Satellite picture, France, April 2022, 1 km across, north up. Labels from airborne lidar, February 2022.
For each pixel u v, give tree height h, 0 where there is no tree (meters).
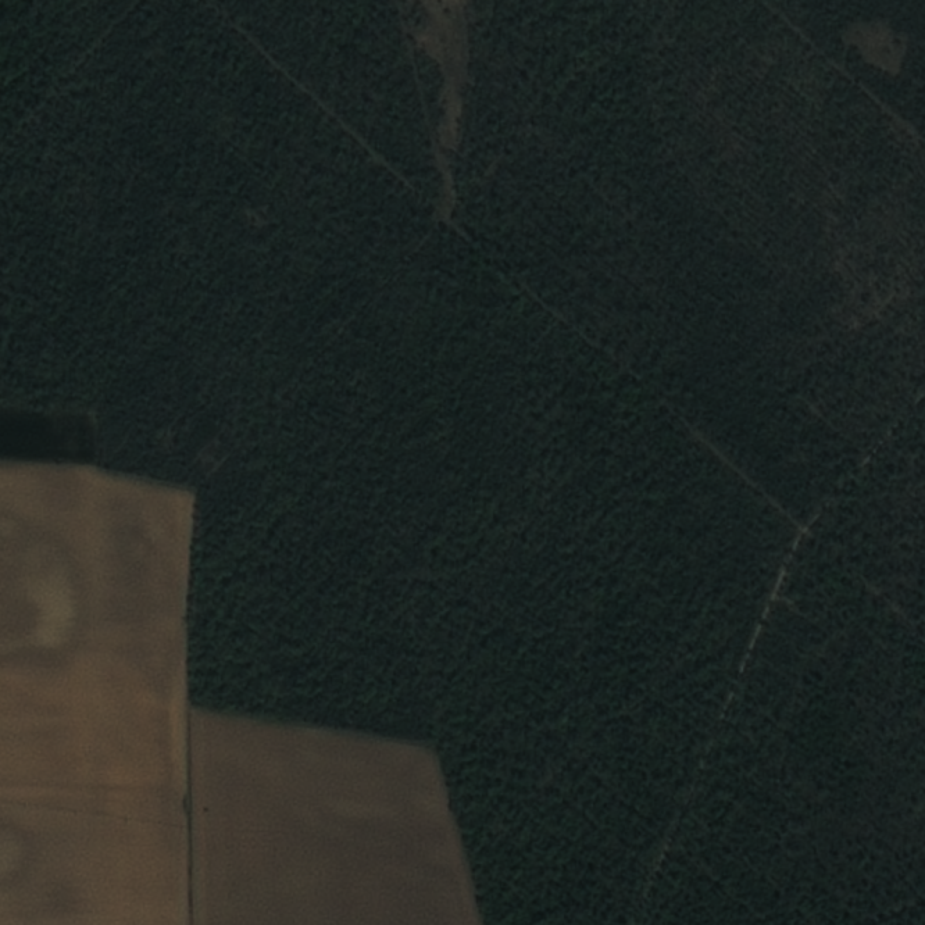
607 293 17
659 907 12
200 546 9
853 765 14
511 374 10
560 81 15
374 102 11
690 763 12
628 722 14
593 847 16
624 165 11
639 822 10
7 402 8
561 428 14
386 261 12
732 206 8
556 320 12
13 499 0
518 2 8
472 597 11
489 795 13
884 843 11
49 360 9
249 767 0
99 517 0
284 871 0
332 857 0
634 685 13
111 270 9
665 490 10
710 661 12
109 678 0
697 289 9
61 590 0
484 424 6
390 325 8
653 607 9
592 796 10
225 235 8
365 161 14
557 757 14
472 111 7
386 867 0
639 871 18
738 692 13
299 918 0
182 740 0
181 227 12
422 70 9
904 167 8
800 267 9
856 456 11
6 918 0
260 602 13
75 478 0
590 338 13
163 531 0
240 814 0
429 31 0
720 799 11
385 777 0
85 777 0
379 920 0
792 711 13
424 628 13
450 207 0
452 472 14
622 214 17
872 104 9
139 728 0
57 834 0
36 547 0
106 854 0
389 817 0
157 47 11
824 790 20
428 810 0
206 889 0
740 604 7
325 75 8
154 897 0
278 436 11
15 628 0
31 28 14
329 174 17
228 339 8
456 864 0
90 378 11
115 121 11
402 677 7
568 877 8
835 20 10
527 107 16
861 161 10
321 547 11
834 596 19
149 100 10
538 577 12
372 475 11
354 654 11
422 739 6
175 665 0
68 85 13
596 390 9
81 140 10
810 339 14
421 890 0
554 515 9
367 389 9
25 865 0
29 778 0
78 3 13
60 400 8
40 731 0
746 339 10
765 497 10
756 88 10
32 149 14
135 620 0
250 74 9
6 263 11
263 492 10
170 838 0
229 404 10
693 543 12
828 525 6
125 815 0
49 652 0
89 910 0
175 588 0
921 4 7
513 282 15
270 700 10
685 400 9
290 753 0
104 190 6
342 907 0
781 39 13
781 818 13
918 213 8
